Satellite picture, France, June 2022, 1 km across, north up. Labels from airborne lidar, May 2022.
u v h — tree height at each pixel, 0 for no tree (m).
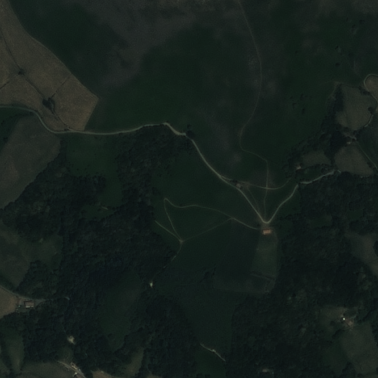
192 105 0
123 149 8
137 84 0
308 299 32
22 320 10
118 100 0
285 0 0
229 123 0
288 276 19
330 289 16
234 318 8
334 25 0
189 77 0
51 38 0
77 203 26
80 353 13
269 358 16
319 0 0
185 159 0
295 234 10
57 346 18
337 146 26
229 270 0
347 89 0
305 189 12
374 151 0
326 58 0
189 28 0
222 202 0
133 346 20
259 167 0
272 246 0
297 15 0
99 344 29
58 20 0
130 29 0
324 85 0
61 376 0
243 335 14
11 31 0
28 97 0
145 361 9
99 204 13
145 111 0
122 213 22
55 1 0
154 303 22
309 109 0
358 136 13
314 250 19
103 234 19
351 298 21
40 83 0
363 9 0
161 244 15
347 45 0
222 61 0
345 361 0
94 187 21
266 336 16
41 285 20
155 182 0
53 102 8
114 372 13
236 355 13
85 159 0
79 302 22
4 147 0
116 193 0
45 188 23
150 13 0
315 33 0
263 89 0
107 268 26
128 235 26
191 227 0
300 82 0
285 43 0
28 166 0
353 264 29
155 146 20
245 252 0
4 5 0
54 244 0
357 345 0
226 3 0
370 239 0
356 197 6
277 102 0
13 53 0
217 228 0
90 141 0
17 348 0
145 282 7
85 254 22
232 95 0
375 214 11
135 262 20
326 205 23
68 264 13
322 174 7
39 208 28
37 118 0
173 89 0
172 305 11
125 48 0
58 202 34
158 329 18
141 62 0
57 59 0
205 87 0
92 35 0
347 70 0
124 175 11
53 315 23
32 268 14
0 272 0
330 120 9
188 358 17
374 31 0
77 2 0
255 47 0
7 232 0
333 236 19
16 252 0
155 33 0
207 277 10
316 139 9
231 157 0
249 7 0
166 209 0
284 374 19
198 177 0
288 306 22
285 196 0
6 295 0
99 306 14
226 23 0
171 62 0
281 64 0
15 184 0
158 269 13
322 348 21
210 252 0
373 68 0
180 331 16
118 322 0
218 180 0
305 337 20
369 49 0
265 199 0
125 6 0
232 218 0
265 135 0
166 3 0
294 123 0
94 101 0
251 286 0
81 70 0
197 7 0
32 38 0
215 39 0
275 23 0
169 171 7
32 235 24
